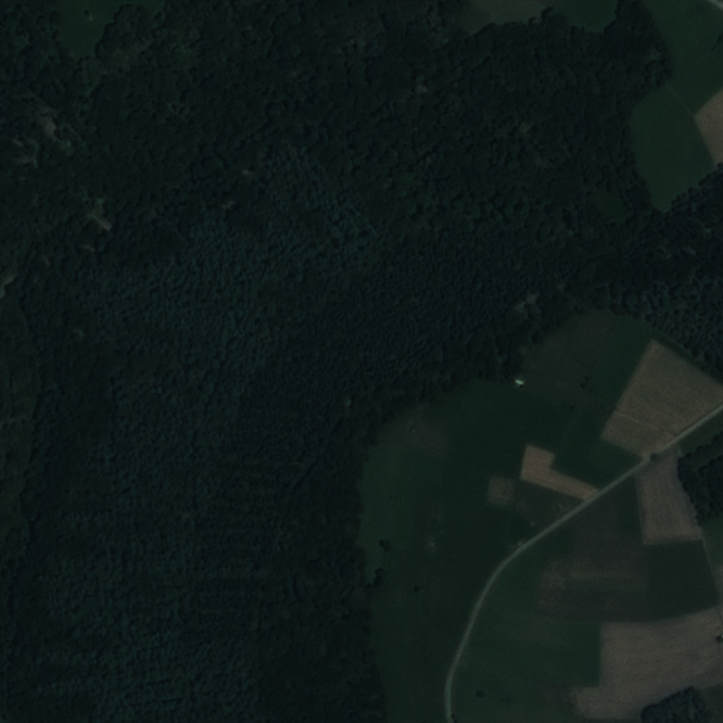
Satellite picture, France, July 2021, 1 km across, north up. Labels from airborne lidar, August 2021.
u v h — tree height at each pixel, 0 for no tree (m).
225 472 22
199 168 30
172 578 23
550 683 0
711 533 0
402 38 29
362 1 29
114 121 25
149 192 32
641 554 0
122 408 24
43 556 26
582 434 0
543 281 18
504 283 21
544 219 32
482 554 0
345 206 32
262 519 16
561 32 21
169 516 26
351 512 23
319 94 33
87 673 20
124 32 19
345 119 36
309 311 28
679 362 0
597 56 13
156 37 17
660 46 17
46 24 28
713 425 0
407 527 0
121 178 25
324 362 24
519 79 26
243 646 29
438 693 0
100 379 26
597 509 0
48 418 18
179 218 23
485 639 0
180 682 31
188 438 29
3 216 24
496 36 26
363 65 25
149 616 25
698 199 23
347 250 33
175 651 28
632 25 14
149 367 21
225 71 28
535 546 0
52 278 21
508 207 36
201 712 24
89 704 28
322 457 18
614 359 0
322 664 28
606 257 25
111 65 24
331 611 24
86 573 34
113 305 23
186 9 20
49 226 21
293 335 23
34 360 32
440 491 0
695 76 0
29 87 31
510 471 0
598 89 16
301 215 25
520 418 0
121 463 23
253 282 31
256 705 20
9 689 10
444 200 32
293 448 23
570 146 18
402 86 30
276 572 22
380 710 21
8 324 10
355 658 19
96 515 23
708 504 18
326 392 24
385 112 26
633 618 0
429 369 23
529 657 0
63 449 20
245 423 23
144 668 30
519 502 0
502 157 21
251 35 25
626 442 0
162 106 30
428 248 23
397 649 0
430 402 8
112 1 0
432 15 22
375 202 26
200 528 19
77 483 22
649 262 29
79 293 14
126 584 31
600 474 0
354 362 26
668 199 0
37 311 22
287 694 23
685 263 30
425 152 32
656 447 0
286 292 24
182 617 21
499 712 0
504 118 8
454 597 0
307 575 24
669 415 0
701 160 0
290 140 26
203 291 29
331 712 25
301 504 24
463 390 0
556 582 0
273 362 28
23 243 28
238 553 23
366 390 13
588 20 0
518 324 24
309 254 35
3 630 10
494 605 0
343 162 26
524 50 26
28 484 19
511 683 0
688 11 0
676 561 0
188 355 24
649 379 0
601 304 22
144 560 27
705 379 0
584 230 27
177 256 21
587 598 0
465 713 0
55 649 24
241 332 32
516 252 18
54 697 26
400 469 0
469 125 27
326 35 25
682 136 0
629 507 0
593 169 25
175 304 27
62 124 30
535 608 0
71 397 22
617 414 0
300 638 24
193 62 28
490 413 0
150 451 26
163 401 34
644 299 30
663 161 0
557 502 0
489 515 0
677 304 23
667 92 0
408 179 40
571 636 0
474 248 17
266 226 25
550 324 17
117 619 22
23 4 31
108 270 19
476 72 20
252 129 34
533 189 23
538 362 0
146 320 30
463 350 22
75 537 23
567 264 23
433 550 0
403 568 0
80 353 32
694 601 0
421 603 0
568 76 21
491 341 19
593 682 0
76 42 0
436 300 21
